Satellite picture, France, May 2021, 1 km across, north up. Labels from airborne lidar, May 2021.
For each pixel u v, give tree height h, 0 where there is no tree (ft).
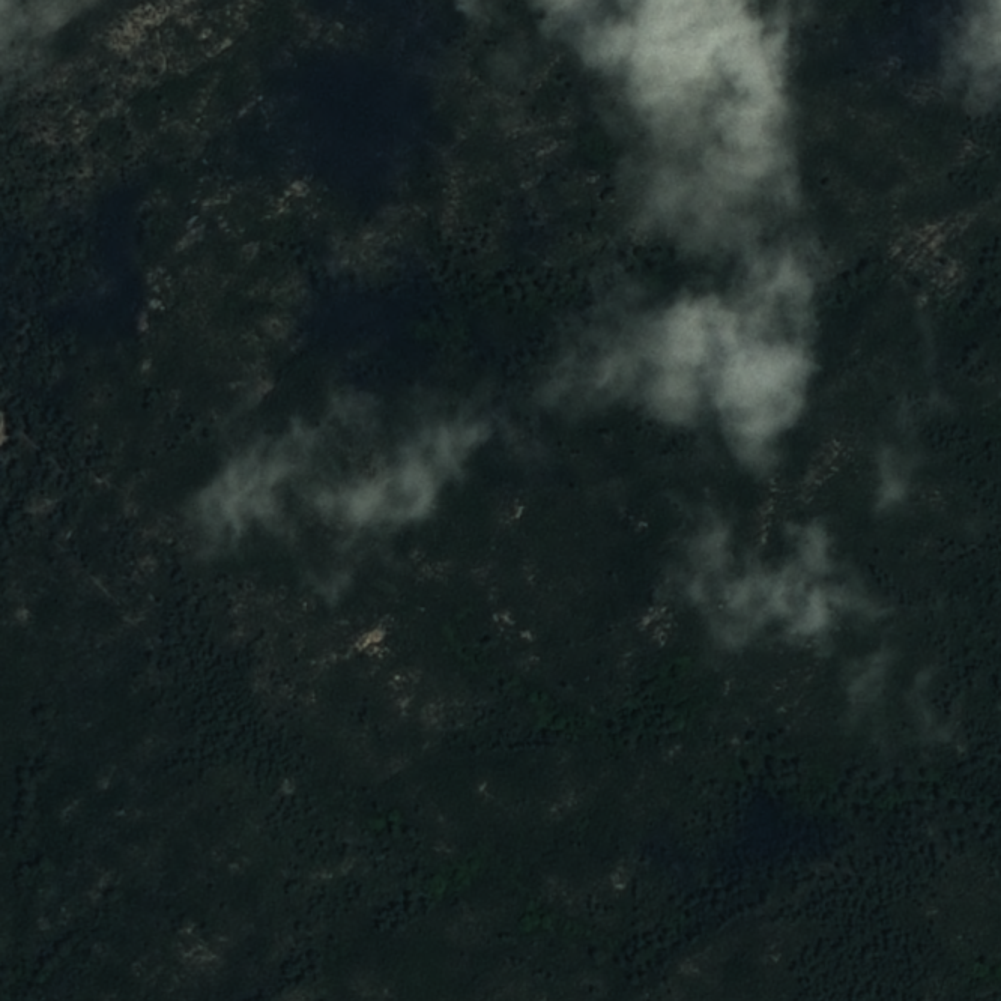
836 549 63
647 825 20
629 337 27
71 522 39
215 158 18
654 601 49
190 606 39
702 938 22
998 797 52
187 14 0
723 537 23
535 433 55
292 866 27
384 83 27
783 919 50
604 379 63
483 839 19
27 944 21
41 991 32
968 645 25
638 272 95
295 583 20
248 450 55
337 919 47
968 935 19
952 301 20
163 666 48
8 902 21
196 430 63
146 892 24
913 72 63
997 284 73
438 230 21
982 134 42
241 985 19
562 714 41
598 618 17
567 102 47
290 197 22
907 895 52
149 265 20
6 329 52
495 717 51
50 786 22
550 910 36
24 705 23
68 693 18
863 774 89
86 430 39
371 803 17
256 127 19
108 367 19
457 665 23
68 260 88
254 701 45
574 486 54
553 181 75
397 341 18
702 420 27
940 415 21
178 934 37
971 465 52
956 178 65
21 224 48
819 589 24
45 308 49
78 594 18
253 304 26
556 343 17
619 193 59
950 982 21
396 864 22
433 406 20
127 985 24
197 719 31
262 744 49
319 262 84
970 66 18
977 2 37
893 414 17
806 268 59
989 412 18
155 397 65
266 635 47
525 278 100
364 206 25
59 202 52
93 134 19
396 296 70
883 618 19
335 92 22
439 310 20
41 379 55
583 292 21
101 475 46
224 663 53
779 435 21
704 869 20
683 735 26
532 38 21
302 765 19
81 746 17
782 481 23
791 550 25
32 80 33
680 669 37
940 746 21
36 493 27
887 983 52
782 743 88
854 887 60
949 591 41
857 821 18
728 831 34
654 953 37
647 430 52
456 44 60
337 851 21
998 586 48
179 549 33
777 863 68
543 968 21
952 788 65
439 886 53
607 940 27
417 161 36
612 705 31
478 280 55
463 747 25
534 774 22
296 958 26
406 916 69
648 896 23
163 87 19
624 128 64
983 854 29
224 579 54
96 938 18
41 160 51
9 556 31
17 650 19
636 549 23
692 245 21
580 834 21
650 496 25
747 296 91
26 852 35
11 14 38
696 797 22
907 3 19
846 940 59
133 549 35
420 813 52
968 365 49
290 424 21
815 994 41
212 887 40
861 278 78
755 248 18
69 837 31
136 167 46
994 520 43
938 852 60
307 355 27
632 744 88
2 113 56
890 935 70
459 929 0
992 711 25
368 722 51
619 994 20
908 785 108
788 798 80
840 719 45
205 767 35
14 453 54
